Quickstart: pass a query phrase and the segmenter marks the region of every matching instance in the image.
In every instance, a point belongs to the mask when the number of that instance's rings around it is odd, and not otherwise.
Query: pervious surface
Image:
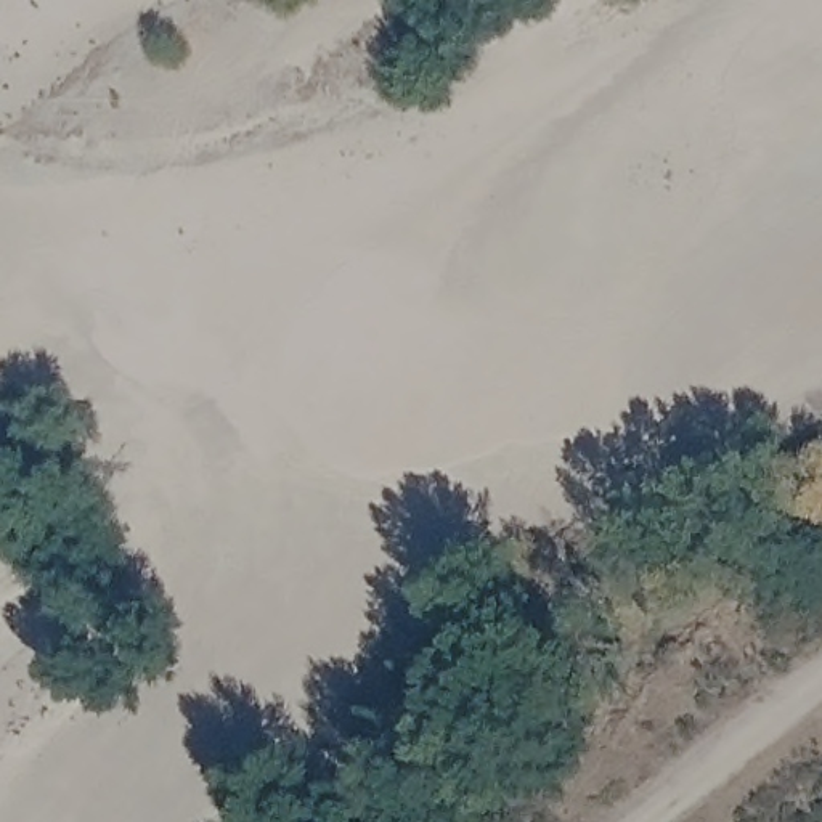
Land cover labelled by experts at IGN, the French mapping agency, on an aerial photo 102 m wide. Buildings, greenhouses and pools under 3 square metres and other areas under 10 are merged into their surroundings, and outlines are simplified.
[[[661,774],[655,774],[645,787],[613,803],[610,809],[620,822],[678,822],[710,790],[726,783],[729,774],[735,774],[748,758],[777,742],[803,716],[812,713],[812,706],[822,703],[822,652],[816,658],[793,661],[787,674],[774,674],[764,684],[751,684],[751,694],[745,706],[732,713],[732,719],[697,735],[687,751],[681,751],[661,767]]]

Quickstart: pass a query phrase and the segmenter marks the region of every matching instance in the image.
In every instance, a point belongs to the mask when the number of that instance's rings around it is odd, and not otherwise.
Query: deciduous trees
[[[90,475],[90,462],[83,456],[71,469],[61,469],[58,462],[42,462],[26,478],[19,475],[22,459],[10,450],[0,450],[0,562],[6,562],[19,575],[22,588],[42,600],[39,613],[51,623],[45,649],[32,652],[29,671],[42,687],[51,690],[55,700],[80,700],[87,710],[103,713],[116,706],[116,700],[135,694],[135,681],[157,681],[164,668],[177,661],[173,607],[164,597],[161,581],[154,575],[144,575],[144,555],[132,555],[125,549],[112,498]]]
[[[379,96],[401,109],[446,106],[453,83],[475,64],[482,42],[504,35],[520,19],[543,19],[555,0],[379,0],[382,19],[376,39],[369,42],[369,77]]]
[[[64,379],[51,385],[32,385],[22,398],[0,398],[0,414],[10,417],[10,437],[16,440],[29,440],[39,450],[77,446],[83,453],[83,446],[96,437],[96,414],[90,401],[71,398]]]
[[[186,39],[177,32],[170,19],[141,13],[138,32],[144,55],[154,64],[180,67],[189,51]]]
[[[617,511],[613,517],[591,517],[591,530],[575,543],[581,562],[600,572],[597,600],[565,600],[552,613],[552,623],[536,633],[530,623],[520,620],[523,604],[530,597],[533,581],[527,581],[523,575],[530,568],[530,539],[539,527],[507,520],[504,530],[491,533],[485,543],[443,543],[443,552],[427,559],[421,575],[408,581],[401,591],[411,617],[421,617],[433,633],[433,639],[411,658],[411,668],[405,674],[405,700],[398,706],[389,697],[376,700],[372,706],[350,706],[356,739],[347,742],[347,761],[340,767],[321,761],[305,745],[295,745],[289,751],[263,745],[244,755],[241,764],[215,764],[202,771],[209,796],[218,809],[218,822],[501,822],[501,816],[514,809],[543,803],[549,796],[562,796],[562,780],[578,771],[578,755],[584,751],[584,729],[594,719],[594,697],[607,694],[620,678],[607,645],[617,645],[620,636],[610,633],[607,620],[617,607],[633,604],[633,591],[645,591],[655,600],[745,597],[755,604],[755,575],[777,572],[780,565],[787,565],[796,549],[796,536],[803,536],[809,523],[822,520],[822,443],[812,440],[800,453],[780,453],[780,443],[790,433],[790,427],[777,424],[777,408],[764,401],[735,437],[710,443],[697,456],[684,456],[681,462],[668,466],[658,478],[645,478],[642,485],[642,491],[652,498],[645,504],[645,514]]]

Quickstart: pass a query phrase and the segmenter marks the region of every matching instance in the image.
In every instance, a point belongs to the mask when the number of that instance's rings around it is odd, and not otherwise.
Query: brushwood
[[[668,652],[690,645],[690,639],[697,639],[697,633],[706,626],[706,620],[694,620],[684,623],[674,636],[661,636],[652,649],[652,658],[636,661],[636,671],[655,674],[658,668],[665,668]]]
[[[803,649],[822,642],[822,520],[809,523],[803,536],[796,536],[796,549],[787,565],[780,565],[777,572],[755,575],[755,604],[755,620],[761,623],[761,633],[796,633]]]
[[[552,613],[565,600],[597,600],[600,572],[581,562],[575,543],[565,546],[565,559],[559,559],[555,539],[546,530],[539,527],[530,539],[530,568],[523,575],[527,581],[533,581],[530,597],[549,600]]]
[[[748,796],[735,806],[735,822],[822,822],[822,758],[796,764],[783,761],[780,767],[774,767],[771,780],[748,790]]]
[[[719,687],[719,700],[726,700],[726,681],[735,681],[751,694],[751,684],[739,671],[735,658],[690,661],[697,706],[710,706],[710,687]]]
[[[543,803],[514,809],[501,816],[501,822],[555,822],[555,816],[546,812]]]

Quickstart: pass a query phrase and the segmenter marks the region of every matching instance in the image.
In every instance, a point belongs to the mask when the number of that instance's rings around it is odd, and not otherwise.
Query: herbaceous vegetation
[[[523,604],[520,620],[530,623],[536,633],[552,623],[552,613],[549,600],[530,597]]]
[[[771,780],[774,767],[780,767],[783,761],[796,764],[822,758],[822,703],[812,706],[812,713],[803,716],[777,742],[748,758],[735,774],[729,774],[726,783],[710,790],[678,822],[735,822],[735,806],[748,796],[748,790]]]
[[[10,417],[0,414],[0,450],[10,450],[22,459],[19,475],[26,478],[42,462],[58,462],[61,469],[71,469],[83,456],[83,453],[77,446],[39,450],[29,440],[16,440],[10,437]]]
[[[661,636],[674,636],[684,623],[694,620],[706,620],[706,626],[697,633],[697,639],[690,639],[690,645],[668,652],[665,668],[658,668],[655,674],[636,671],[636,661],[652,658],[652,649]],[[690,661],[735,658],[739,671],[751,684],[764,684],[774,674],[787,674],[793,661],[816,658],[822,652],[822,642],[803,649],[796,633],[761,633],[761,623],[755,620],[755,604],[745,597],[655,600],[645,591],[633,591],[633,604],[617,607],[607,620],[610,633],[620,636],[617,645],[607,645],[620,678],[607,694],[594,697],[594,719],[584,729],[584,751],[578,755],[578,771],[562,780],[562,796],[549,796],[543,803],[546,812],[555,816],[555,822],[620,822],[610,809],[613,803],[645,787],[655,774],[661,774],[661,767],[681,751],[687,751],[697,735],[732,719],[732,713],[745,706],[751,694],[735,681],[726,681],[726,700],[719,700],[719,687],[710,687],[710,706],[697,706]]]
[[[546,530],[555,539],[559,559],[565,559],[565,546],[575,543],[591,530],[591,517],[613,517],[617,511],[645,514],[645,504],[652,498],[642,491],[642,485],[613,488],[600,501],[575,507],[575,514],[565,523],[555,520]]]
[[[822,421],[809,414],[793,414],[790,427],[790,433],[780,443],[780,453],[800,453],[812,440],[822,443]]]

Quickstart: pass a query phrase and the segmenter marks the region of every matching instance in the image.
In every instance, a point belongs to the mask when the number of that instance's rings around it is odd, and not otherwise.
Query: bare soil
[[[141,13],[170,19],[177,32],[186,39],[189,51],[180,67],[154,64],[144,55],[138,32]],[[132,555],[144,555],[144,575],[154,575],[161,581],[164,597],[173,607],[177,661],[164,668],[157,681],[135,681],[135,694],[116,700],[116,706],[103,713],[87,710],[80,700],[55,700],[51,690],[42,687],[29,671],[32,652],[45,649],[51,623],[39,613],[42,600],[22,588],[19,575],[6,562],[0,562],[0,822],[218,822],[218,809],[209,796],[202,771],[215,764],[241,764],[244,755],[263,745],[289,751],[295,745],[305,745],[321,761],[340,767],[347,761],[347,742],[356,739],[350,706],[372,706],[376,700],[389,697],[398,706],[405,700],[405,674],[411,668],[411,658],[433,639],[433,633],[421,617],[411,617],[401,591],[408,581],[421,575],[427,559],[443,552],[443,543],[485,543],[491,533],[504,530],[507,520],[539,527],[546,530],[555,520],[565,523],[575,514],[575,507],[600,501],[613,488],[642,485],[645,478],[658,478],[668,466],[681,462],[684,456],[697,456],[710,443],[735,437],[764,401],[777,408],[777,424],[790,427],[793,414],[809,414],[822,421],[822,0],[555,0],[543,19],[520,19],[504,35],[482,42],[475,64],[453,83],[446,106],[401,109],[379,96],[369,77],[369,42],[376,39],[382,19],[379,0],[0,0],[0,398],[22,398],[32,385],[51,385],[64,379],[71,398],[90,401],[96,414],[96,437],[83,446],[83,453],[83,456],[90,462],[90,475],[112,498],[125,549]]]

